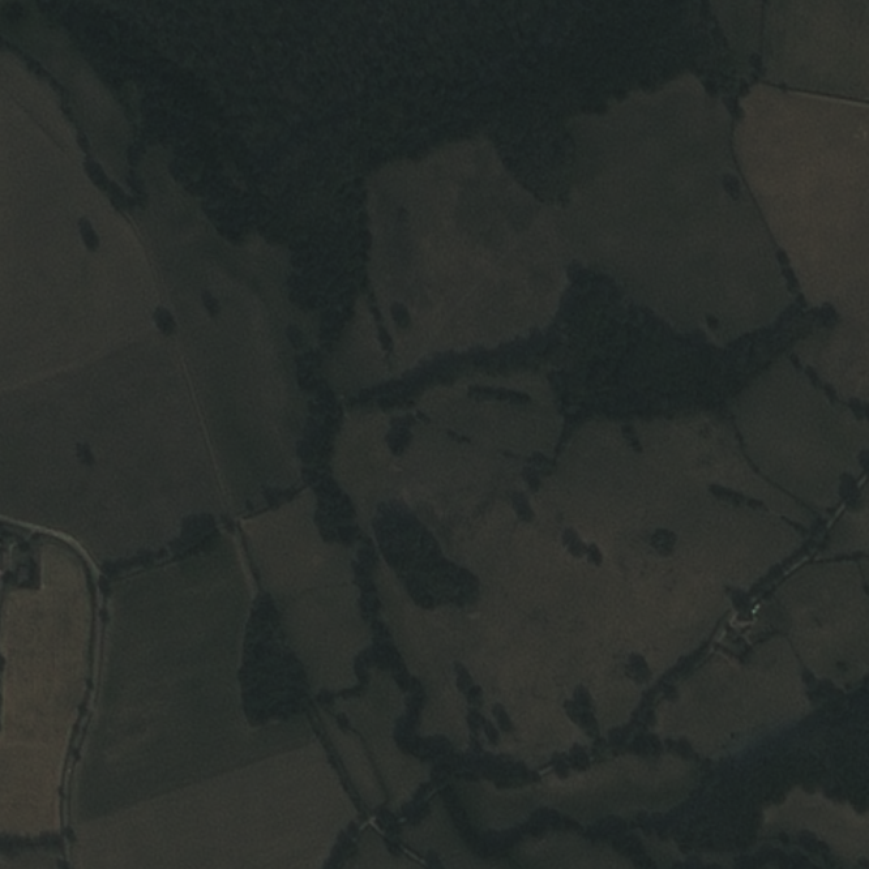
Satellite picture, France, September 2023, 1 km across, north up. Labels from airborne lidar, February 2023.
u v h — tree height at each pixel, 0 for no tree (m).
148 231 0
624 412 18
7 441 0
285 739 0
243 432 0
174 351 0
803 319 17
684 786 0
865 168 0
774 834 0
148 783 0
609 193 0
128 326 0
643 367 25
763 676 0
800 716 0
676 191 0
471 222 0
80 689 0
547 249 0
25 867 0
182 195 0
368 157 22
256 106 27
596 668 0
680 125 0
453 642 0
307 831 0
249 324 0
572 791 0
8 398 0
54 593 0
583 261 0
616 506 0
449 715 0
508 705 0
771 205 0
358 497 0
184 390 0
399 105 16
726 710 0
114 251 0
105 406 0
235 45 32
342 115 22
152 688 0
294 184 20
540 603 0
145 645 0
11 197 0
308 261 18
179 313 0
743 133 0
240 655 0
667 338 25
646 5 24
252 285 0
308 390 15
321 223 17
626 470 0
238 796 0
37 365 0
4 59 0
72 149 0
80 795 0
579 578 0
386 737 0
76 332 0
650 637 0
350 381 0
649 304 0
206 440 0
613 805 0
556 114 24
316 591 0
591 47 25
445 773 18
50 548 0
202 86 6
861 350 0
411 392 17
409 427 7
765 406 0
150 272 0
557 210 0
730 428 0
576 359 19
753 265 0
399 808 0
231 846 0
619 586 0
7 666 0
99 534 0
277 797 0
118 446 0
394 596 0
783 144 0
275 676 6
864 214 0
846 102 0
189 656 0
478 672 0
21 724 0
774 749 20
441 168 0
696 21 20
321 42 29
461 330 0
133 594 0
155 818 0
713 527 0
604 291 21
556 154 20
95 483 0
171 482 0
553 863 0
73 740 0
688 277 0
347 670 0
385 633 17
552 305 0
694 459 0
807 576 0
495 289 0
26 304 0
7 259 0
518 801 0
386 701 0
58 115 0
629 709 0
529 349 18
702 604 0
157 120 18
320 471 10
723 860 0
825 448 0
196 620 0
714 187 0
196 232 0
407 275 0
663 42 22
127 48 7
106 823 0
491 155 0
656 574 0
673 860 0
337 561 0
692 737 0
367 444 0
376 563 11
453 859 0
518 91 21
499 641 0
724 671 0
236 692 0
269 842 0
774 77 0
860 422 0
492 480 0
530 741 0
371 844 0
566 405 14
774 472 0
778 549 0
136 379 0
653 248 0
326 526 18
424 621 0
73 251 0
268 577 0
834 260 0
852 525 0
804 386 0
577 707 10
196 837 0
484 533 0
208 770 0
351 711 0
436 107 18
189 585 0
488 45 0
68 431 0
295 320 0
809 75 0
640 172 0
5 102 0
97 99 0
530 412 0
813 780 21
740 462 0
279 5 32
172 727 0
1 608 0
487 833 0
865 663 0
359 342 0
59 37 0
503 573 0
